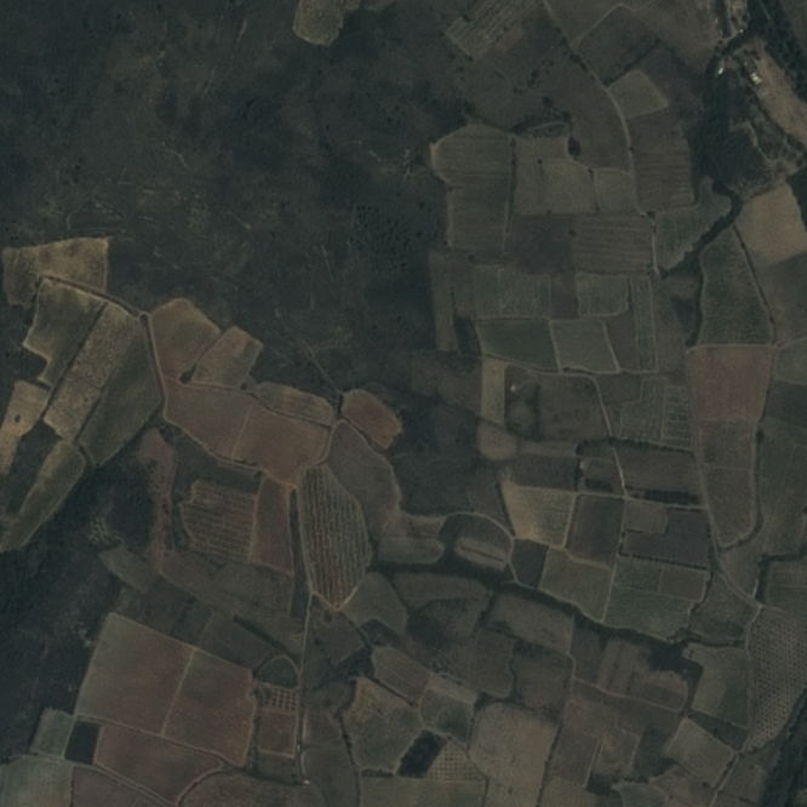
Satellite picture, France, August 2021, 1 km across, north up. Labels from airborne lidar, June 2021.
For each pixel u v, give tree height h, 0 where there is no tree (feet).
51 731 0
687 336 0
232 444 0
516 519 0
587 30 0
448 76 0
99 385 0
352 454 0
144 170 0
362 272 0
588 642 0
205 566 0
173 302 0
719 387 0
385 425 0
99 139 0
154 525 0
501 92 0
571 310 0
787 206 0
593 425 0
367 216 39
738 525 0
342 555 0
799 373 0
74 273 0
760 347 0
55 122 27
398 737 0
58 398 0
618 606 0
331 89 0
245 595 0
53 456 0
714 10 0
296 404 0
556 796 0
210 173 0
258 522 0
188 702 0
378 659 0
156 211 0
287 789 0
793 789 36
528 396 0
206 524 0
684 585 0
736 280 0
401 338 0
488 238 0
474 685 0
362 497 0
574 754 0
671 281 0
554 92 0
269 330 0
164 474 0
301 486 0
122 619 0
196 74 0
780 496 0
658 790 0
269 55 0
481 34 0
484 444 0
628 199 0
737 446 0
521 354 0
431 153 0
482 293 0
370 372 0
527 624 0
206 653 0
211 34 0
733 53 22
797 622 0
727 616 0
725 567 0
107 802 0
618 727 0
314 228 0
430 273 0
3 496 0
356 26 22
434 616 0
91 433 0
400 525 0
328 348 0
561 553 0
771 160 0
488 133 0
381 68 0
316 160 0
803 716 37
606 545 0
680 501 25
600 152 0
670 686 0
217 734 0
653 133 0
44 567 22
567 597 0
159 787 0
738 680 0
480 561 0
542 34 0
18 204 0
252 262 0
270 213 0
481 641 0
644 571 0
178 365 0
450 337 0
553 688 0
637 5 0
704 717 0
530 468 0
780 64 24
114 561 0
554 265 0
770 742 19
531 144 0
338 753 0
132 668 0
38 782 0
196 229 0
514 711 0
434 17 0
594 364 0
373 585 0
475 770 0
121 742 0
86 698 0
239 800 0
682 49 0
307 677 0
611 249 0
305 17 0
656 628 0
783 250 0
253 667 0
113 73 0
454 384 0
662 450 25
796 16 0
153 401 0
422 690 0
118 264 0
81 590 0
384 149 0
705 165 35
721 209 0
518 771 0
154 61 0
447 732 0
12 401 0
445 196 0
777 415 0
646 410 0
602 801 0
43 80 0
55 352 0
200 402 0
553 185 0
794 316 0
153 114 0
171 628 0
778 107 0
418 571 19
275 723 0
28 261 0
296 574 0
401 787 0
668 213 0
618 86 0
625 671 0
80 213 0
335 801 0
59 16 0
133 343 0
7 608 21
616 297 0
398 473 0
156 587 0
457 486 0
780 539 0
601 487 20
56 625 0
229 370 0
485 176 0
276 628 0
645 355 0
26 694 0
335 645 0
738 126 0
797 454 0
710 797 0
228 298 0
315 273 0
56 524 31
